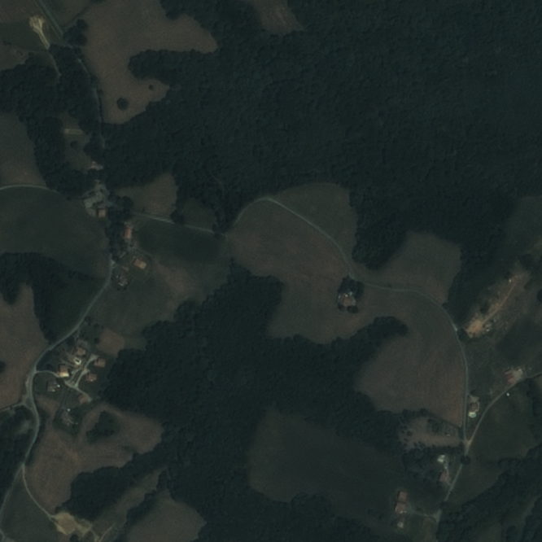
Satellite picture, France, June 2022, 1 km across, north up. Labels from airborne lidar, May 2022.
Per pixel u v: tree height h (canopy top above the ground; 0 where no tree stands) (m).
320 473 0
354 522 13
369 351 23
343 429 16
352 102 16
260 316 20
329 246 0
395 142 20
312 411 15
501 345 0
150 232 0
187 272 0
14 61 0
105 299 0
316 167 8
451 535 13
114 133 17
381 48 22
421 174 25
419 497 0
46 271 20
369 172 22
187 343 22
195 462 20
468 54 17
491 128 10
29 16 0
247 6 6
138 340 0
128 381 17
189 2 14
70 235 0
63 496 0
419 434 0
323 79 17
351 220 0
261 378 16
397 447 9
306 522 29
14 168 0
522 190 26
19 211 0
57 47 14
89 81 17
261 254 0
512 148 13
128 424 0
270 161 14
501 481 15
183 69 23
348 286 15
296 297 0
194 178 25
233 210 10
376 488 0
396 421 9
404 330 18
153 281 0
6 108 21
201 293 0
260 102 21
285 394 18
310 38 21
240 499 22
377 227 27
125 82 0
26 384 0
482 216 16
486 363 0
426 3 11
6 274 22
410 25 16
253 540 27
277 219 0
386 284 0
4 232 0
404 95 20
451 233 21
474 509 32
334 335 0
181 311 11
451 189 24
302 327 0
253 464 0
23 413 13
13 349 0
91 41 0
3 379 0
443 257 0
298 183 13
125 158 6
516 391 0
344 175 23
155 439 0
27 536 0
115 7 0
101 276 0
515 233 0
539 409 21
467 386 0
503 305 0
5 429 10
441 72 11
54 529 0
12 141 0
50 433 0
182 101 13
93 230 0
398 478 0
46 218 0
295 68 20
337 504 0
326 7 17
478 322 0
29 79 25
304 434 0
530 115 6
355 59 16
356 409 26
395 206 31
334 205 0
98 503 22
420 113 7
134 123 13
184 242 0
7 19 0
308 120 8
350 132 19
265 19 0
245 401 19
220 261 0
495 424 0
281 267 0
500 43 13
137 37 0
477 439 0
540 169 14
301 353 19
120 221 12
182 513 0
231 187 8
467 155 13
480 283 0
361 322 0
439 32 9
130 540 0
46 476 0
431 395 0
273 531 24
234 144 8
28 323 0
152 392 26
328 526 25
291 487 0
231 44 16
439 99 6
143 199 0
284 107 24
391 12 11
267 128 19
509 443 0
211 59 19
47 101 20
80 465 0
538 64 6
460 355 0
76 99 21
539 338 0
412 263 0
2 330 0
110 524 0
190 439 28
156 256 0
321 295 0
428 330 0
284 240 0
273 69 24
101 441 0
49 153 20
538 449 11
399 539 0
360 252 22
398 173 24
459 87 7
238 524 26
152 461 24
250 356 19
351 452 0
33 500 0
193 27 0
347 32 7
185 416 23
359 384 0
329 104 10
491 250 21
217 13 20
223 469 21
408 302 0
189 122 24
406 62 22
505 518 10
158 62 20
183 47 0
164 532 0
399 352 0
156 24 0
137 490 0
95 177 15
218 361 20
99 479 19
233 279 15
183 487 22
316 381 19
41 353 0
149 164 25
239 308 13
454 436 0
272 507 22
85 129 17
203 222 0
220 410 23
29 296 0
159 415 16
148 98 0
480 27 24
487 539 0
